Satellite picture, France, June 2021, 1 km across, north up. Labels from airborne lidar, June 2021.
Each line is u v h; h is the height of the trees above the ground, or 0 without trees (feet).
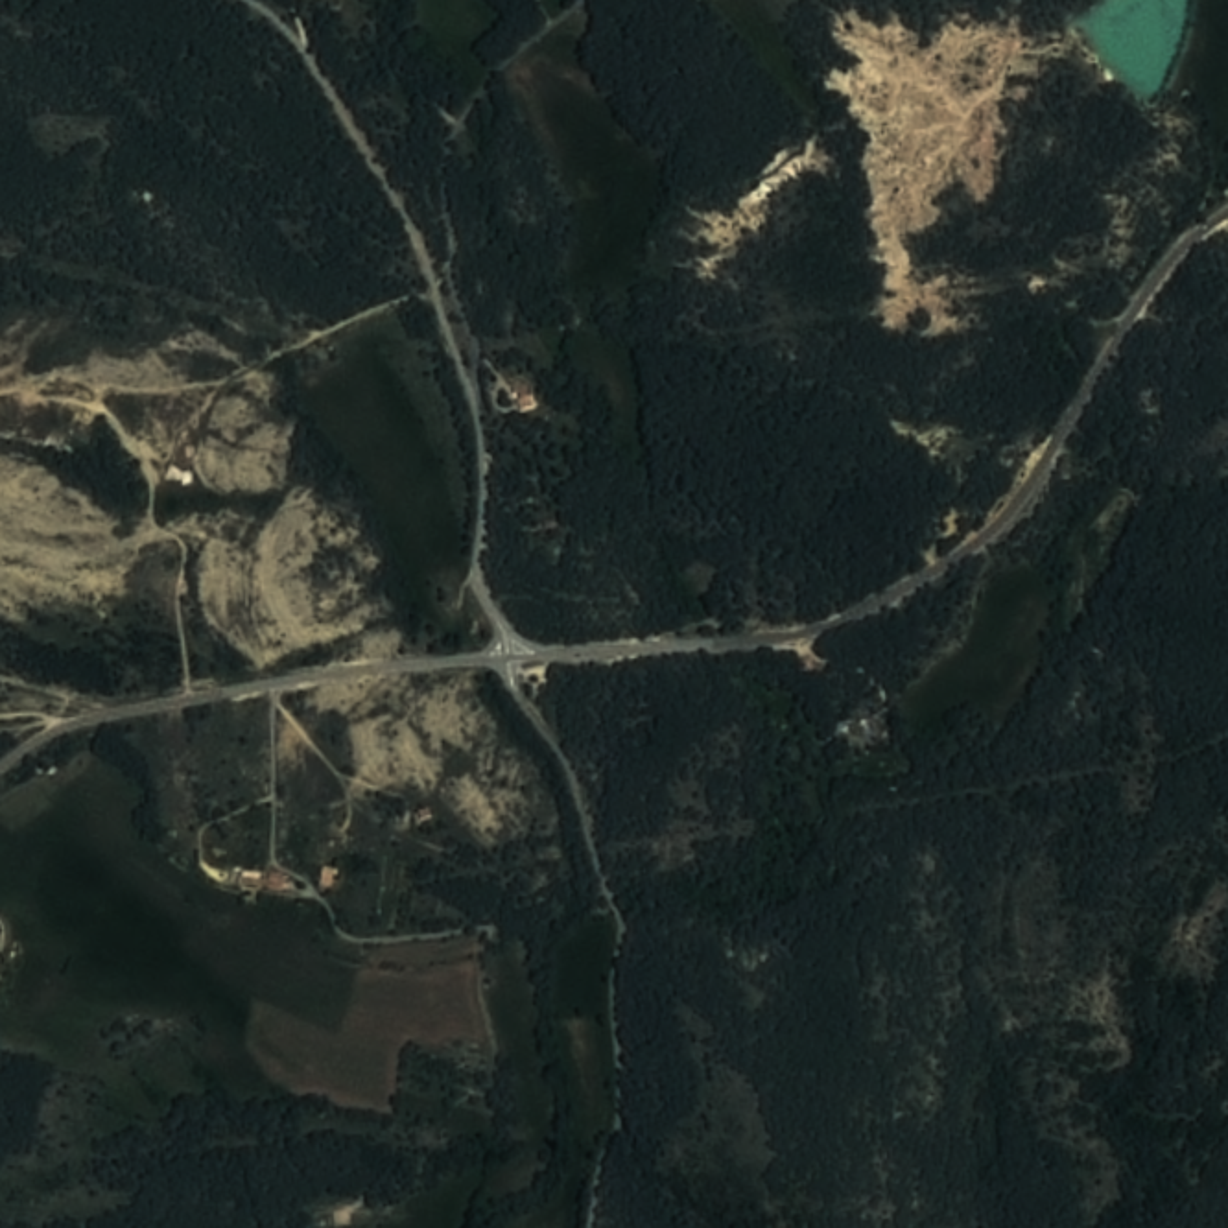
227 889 0
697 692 38
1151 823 37
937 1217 27
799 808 39
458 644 49
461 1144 27
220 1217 42
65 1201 0
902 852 25
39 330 0
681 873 36
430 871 30
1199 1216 42
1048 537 26
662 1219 28
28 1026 0
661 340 21
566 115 0
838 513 45
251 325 0
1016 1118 22
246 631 0
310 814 0
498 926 23
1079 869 25
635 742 33
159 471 0
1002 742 40
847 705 24
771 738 43
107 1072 0
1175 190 21
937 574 0
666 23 40
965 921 28
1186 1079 41
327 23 45
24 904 0
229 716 0
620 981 29
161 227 19
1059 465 23
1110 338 0
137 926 0
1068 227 20
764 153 30
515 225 31
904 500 35
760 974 18
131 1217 37
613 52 46
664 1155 25
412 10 53
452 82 42
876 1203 24
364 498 29
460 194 45
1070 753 27
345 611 0
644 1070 37
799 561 31
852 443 41
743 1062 24
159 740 0
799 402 27
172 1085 0
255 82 36
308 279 40
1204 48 0
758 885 20
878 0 22
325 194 50
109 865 0
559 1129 43
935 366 20
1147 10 0
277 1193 35
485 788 0
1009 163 34
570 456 43
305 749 0
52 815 0
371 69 35
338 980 0
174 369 0
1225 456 33
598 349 0
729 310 21
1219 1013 36
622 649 0
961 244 23
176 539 0
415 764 0
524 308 42
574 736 26
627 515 38
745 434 49
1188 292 21
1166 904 29
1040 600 0
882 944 25
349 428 0
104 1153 42
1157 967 24
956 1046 27
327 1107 45
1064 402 38
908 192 0
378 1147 21
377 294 35
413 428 0
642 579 25
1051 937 0
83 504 0
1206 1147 35
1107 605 35
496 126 33
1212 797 33
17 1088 39
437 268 28
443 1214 0
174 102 25
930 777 38
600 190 0
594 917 31
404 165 36
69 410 0
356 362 0
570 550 28
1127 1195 36
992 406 37
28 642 31
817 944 41
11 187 32
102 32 47
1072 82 28
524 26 52
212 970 0
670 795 32
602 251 0
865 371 21
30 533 0
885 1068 25
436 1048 0
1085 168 24
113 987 0
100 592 0
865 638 43
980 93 0
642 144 27
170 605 0
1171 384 33
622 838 30
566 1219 0
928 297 0
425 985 0
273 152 49
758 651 24
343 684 0
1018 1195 52
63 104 20
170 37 50
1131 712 23
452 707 0
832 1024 37
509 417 32
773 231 28
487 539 29
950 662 0
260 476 0
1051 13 23
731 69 32
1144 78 0
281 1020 0
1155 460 31
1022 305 31
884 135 0
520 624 20
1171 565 28
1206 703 45
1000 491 26
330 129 31
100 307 29
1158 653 23
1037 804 27
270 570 0
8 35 26
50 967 0
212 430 0
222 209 23
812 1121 25
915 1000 18
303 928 0
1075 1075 21
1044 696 42
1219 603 34
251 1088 0
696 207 24
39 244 32
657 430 43
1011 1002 21
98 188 23
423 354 25
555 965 40
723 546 45
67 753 30
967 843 32
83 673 35
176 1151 38
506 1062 32
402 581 29
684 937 24
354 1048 0
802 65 26
